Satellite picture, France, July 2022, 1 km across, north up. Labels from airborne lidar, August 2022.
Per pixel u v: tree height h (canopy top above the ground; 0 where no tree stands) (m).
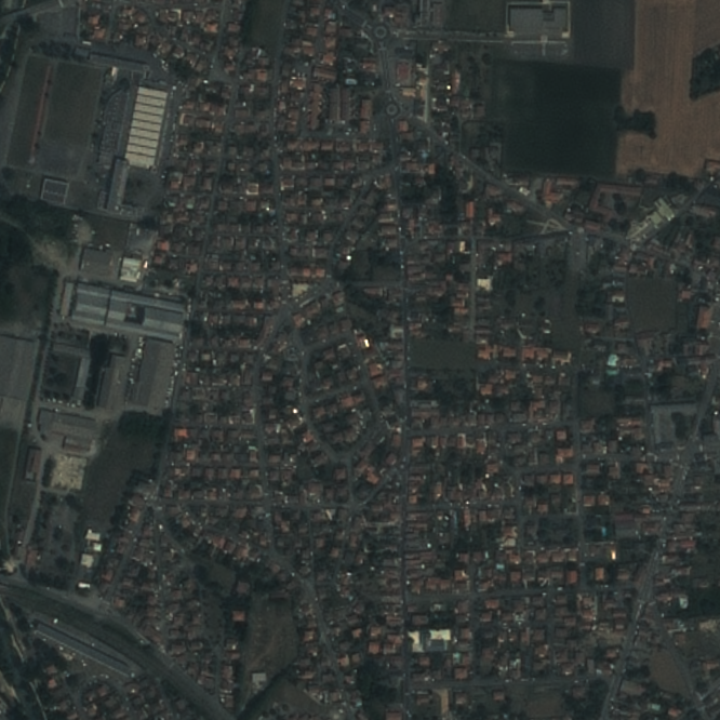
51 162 0
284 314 0
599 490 12
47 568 0
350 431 0
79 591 9
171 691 6
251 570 7
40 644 15
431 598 0
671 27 0
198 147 0
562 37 0
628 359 0
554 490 0
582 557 0
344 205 0
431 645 0
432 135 0
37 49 8
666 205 0
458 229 7
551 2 0
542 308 12
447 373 6
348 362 7
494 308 0
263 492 0
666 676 0
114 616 0
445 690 0
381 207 6
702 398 6
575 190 7
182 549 0
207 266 0
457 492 0
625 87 0
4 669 14
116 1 0
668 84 0
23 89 0
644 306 0
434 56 0
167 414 14
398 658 0
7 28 0
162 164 0
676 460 0
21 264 18
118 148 0
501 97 0
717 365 0
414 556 0
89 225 0
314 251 0
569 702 9
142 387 0
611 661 10
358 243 0
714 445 0
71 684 14
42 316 0
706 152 0
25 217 6
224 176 7
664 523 0
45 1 0
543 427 0
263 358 0
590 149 0
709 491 0
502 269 6
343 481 7
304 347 0
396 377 0
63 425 0
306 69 0
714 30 0
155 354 0
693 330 13
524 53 0
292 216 0
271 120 0
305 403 0
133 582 6
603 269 0
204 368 8
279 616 0
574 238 0
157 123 0
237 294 6
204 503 0
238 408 0
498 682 0
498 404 10
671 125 0
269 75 0
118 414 0
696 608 0
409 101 0
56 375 8
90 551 0
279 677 9
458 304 0
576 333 0
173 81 0
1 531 0
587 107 0
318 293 0
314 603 0
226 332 10
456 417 0
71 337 0
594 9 0
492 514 0
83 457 0
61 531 11
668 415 0
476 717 6
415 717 9
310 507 0
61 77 0
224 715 0
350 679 0
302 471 0
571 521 6
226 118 0
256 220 7
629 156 0
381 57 0
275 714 8
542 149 0
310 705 0
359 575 6
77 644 0
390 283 0
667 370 7
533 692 0
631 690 0
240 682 10
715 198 0
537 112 0
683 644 0
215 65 0
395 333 0
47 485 7
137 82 0
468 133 0
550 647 0
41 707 9
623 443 5
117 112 0
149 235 0
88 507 0
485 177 0
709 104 0
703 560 0
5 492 0
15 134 0
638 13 0
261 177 8
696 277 0
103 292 0
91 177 0
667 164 0
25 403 0
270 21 0
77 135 0
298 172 0
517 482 0
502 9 0
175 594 0
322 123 6
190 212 7
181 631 8
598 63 0
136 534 0
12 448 0
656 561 0
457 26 0
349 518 0
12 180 16
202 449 8
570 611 8
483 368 0
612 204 0
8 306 0
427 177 10
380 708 0
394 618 0
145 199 0
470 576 0
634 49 0
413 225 0
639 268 0
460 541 8
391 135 0
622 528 0
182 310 0
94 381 9
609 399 0
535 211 0
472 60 7
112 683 0
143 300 0
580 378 9
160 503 0
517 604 0
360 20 0
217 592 8
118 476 0
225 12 0
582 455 0
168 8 0
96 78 0
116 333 0
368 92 0
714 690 0
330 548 6
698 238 8
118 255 0
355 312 0
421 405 0
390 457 0
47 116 0
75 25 0
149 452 0
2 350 0
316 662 6
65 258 0
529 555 0
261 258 9
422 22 0
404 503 0
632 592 10
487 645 5
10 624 10
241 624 12
